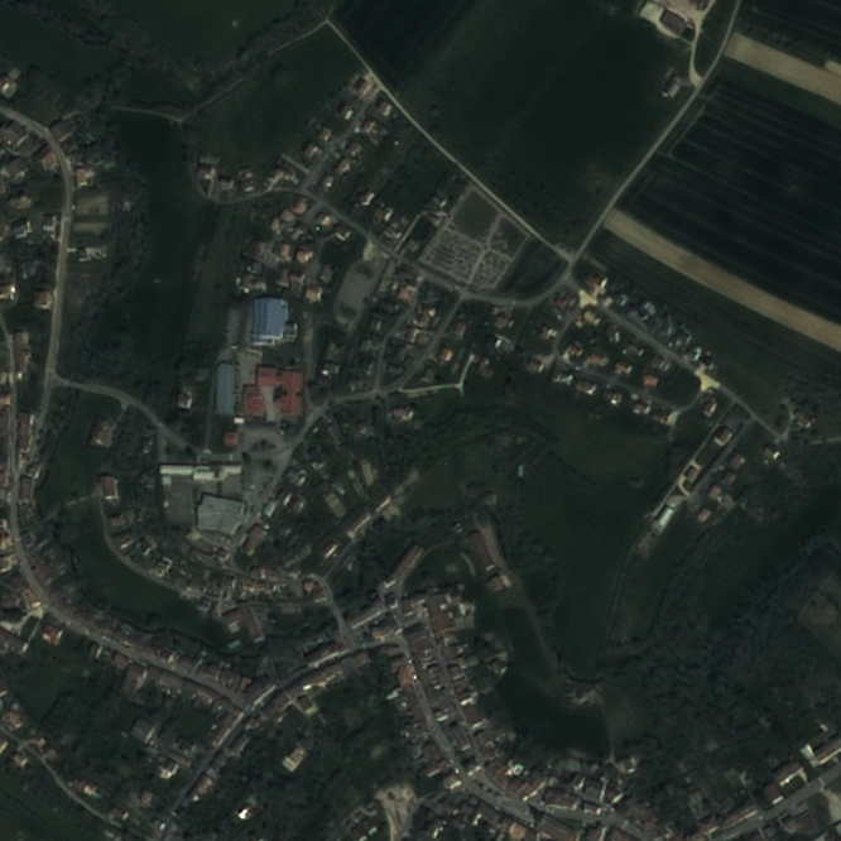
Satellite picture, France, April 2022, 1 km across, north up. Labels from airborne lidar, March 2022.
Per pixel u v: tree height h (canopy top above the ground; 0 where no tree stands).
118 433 7
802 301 0
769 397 0
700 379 0
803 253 0
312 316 0
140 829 0
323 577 0
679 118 0
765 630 24
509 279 0
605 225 0
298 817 24
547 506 0
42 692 0
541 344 0
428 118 0
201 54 0
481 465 0
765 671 21
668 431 0
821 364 0
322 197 0
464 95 0
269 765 12
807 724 0
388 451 7
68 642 0
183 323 0
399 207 0
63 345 0
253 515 0
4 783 0
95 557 0
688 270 0
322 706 0
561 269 0
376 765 0
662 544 0
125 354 18
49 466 14
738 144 0
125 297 0
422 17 0
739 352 0
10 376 0
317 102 0
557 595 12
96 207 0
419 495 0
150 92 0
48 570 0
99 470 0
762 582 0
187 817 10
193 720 0
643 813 0
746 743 5
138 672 0
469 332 0
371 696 14
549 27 0
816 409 8
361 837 0
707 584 10
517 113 0
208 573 0
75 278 0
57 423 10
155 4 0
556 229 0
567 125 0
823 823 0
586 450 0
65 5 0
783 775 0
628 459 0
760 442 0
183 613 0
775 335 0
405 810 0
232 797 11
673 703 23
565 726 0
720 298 0
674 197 0
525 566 0
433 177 0
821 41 0
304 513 0
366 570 19
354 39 0
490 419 13
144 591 0
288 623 0
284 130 0
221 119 0
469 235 0
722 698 22
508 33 0
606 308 0
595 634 0
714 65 0
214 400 0
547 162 0
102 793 0
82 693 0
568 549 0
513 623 0
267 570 0
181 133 0
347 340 0
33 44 0
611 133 0
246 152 0
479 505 15
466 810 0
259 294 0
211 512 0
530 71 0
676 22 0
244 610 0
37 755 0
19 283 9
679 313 0
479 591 0
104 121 15
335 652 0
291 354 0
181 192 0
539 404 0
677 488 0
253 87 0
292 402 0
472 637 0
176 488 0
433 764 0
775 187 0
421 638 0
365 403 0
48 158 0
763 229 0
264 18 0
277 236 0
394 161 0
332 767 0
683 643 26
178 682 0
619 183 0
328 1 0
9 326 0
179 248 0
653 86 0
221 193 0
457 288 0
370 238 0
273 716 0
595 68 0
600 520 0
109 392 0
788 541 0
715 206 0
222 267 0
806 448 7
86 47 0
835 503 0
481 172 0
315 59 0
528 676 0
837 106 0
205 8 0
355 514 13
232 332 0
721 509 0
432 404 0
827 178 0
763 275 0
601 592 0
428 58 0
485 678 7
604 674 15
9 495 0
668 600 15
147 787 0
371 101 0
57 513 0
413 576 0
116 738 0
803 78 0
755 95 0
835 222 0
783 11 0
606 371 0
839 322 0
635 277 0
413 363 7
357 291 0
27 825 0
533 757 16
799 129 0
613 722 0
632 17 0
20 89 0
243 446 0
